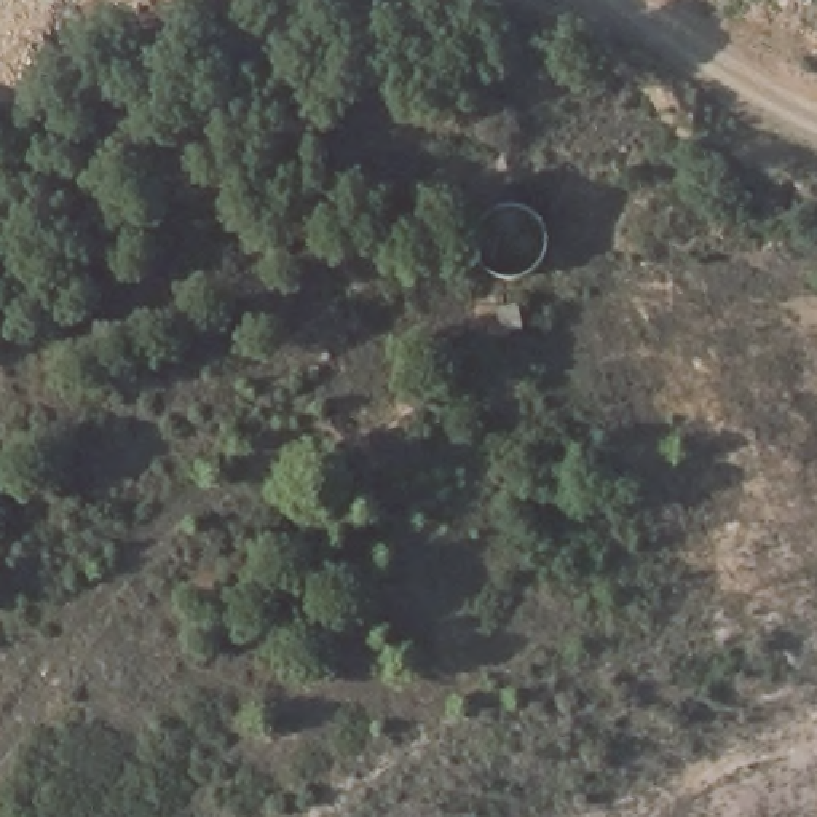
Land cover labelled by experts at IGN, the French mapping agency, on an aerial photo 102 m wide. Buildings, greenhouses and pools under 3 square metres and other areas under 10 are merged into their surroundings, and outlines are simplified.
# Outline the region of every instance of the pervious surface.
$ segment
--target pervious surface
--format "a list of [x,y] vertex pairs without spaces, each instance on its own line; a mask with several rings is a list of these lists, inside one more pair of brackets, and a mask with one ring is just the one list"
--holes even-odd
[[616,51],[616,57],[626,67],[635,67],[651,83],[645,96],[654,102],[661,121],[670,124],[677,137],[693,137],[693,115],[680,112],[670,89],[677,83],[686,83],[689,73],[699,73],[702,80],[715,80],[728,86],[740,102],[747,102],[747,112],[760,115],[763,131],[776,131],[788,140],[817,150],[817,0],[511,0],[514,6],[539,16],[581,16],[587,26],[597,26],[603,32],[603,41]]
[[817,297],[795,297],[791,310],[801,316],[798,332],[811,332],[817,326]]
[[16,80],[22,80],[26,67],[32,64],[32,54],[45,45],[48,32],[54,0],[0,0],[0,83],[13,86]]
[[683,772],[683,785],[689,791],[699,791],[708,782],[750,763],[788,756],[791,766],[807,766],[811,760],[817,760],[817,708],[814,708],[804,718],[795,718],[791,718],[791,747],[728,750],[718,760],[699,760]]

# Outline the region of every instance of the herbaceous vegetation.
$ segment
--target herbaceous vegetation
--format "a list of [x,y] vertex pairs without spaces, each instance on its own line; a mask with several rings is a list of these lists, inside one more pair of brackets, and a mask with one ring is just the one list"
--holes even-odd
[[791,718],[785,715],[776,718],[769,728],[750,724],[747,731],[734,731],[728,750],[791,747]]
[[750,763],[708,782],[699,791],[689,791],[683,785],[683,772],[673,776],[667,785],[638,779],[632,791],[619,795],[606,807],[610,817],[817,817],[817,760],[811,760],[807,766],[791,766],[788,756]]
[[699,73],[689,73],[686,83],[677,83],[670,89],[680,112],[693,115],[693,137],[699,150],[718,153],[724,160],[721,182],[747,204],[750,214],[769,217],[791,207],[798,217],[804,217],[807,207],[817,204],[817,150],[788,140],[776,131],[763,131],[760,115],[747,112],[747,102],[740,102],[728,86],[715,80],[702,80]]
[[817,396],[817,326],[811,332],[798,332],[798,348],[804,354],[801,383],[804,393]]
[[316,804],[319,817],[357,817],[364,791],[373,788],[389,769],[396,769],[396,756],[377,756],[367,776],[354,779],[354,788],[338,788],[335,801]]
[[712,530],[702,543],[680,549],[680,558],[686,565],[718,571],[718,590],[712,594],[712,606],[702,610],[702,616],[715,622],[718,641],[744,648],[750,657],[763,645],[763,638],[769,638],[779,626],[782,632],[801,635],[817,651],[817,463],[804,466],[785,456],[776,444],[756,444],[756,431],[750,424],[724,421],[721,402],[712,393],[718,377],[718,348],[708,348],[696,361],[670,354],[664,389],[654,396],[654,409],[661,418],[667,421],[673,415],[686,415],[705,421],[708,431],[737,434],[747,444],[728,453],[728,463],[744,469],[744,495],[731,523]]
[[105,13],[112,3],[134,10],[150,0],[54,0],[48,32],[61,29],[64,35],[70,35],[73,29],[86,26],[96,13]]
[[785,699],[791,702],[795,718],[804,718],[814,708],[801,686],[782,683],[776,689],[766,689],[756,702]]
[[191,798],[195,817],[239,817],[236,811],[217,804],[214,791],[198,788],[198,795]]
[[747,252],[747,262],[772,278],[782,278],[795,297],[817,297],[817,246],[798,249],[795,243],[766,239],[763,246]]
[[645,191],[635,191],[629,198],[616,217],[613,246],[619,252],[632,252],[641,239],[638,217],[651,201]]

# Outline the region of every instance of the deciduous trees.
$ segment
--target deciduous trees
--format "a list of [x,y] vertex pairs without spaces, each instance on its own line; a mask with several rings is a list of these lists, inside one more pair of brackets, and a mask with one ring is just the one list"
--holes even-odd
[[41,600],[16,597],[10,610],[0,610],[0,651],[10,648],[10,632],[35,638]]
[[160,367],[163,354],[176,351],[176,341],[163,329],[179,313],[185,313],[195,326],[207,319],[204,271],[191,271],[185,281],[172,284],[176,297],[169,303],[156,310],[134,310],[124,319],[99,322],[83,306],[77,262],[89,262],[89,255],[67,230],[64,191],[51,195],[38,188],[45,172],[57,172],[86,188],[99,201],[109,233],[118,239],[109,252],[112,274],[118,281],[137,281],[144,252],[144,204],[134,191],[134,176],[124,166],[137,156],[137,150],[147,140],[156,147],[169,147],[182,160],[191,182],[217,191],[220,223],[239,236],[246,252],[259,255],[255,274],[268,290],[294,294],[297,271],[313,259],[338,265],[348,255],[361,255],[377,265],[377,278],[351,281],[348,294],[383,297],[396,316],[396,326],[386,335],[377,335],[341,354],[332,383],[294,402],[294,409],[313,415],[316,428],[310,437],[281,447],[278,463],[271,466],[271,476],[262,485],[265,491],[255,501],[236,498],[220,514],[179,520],[182,533],[191,533],[198,527],[220,543],[220,558],[214,565],[201,558],[201,571],[191,581],[172,587],[169,613],[179,622],[179,648],[188,661],[217,661],[223,654],[239,657],[255,651],[255,657],[268,661],[274,670],[274,680],[265,693],[265,712],[249,702],[239,705],[239,696],[230,689],[201,686],[198,702],[188,705],[182,715],[163,715],[156,731],[147,731],[140,724],[140,731],[131,734],[112,724],[109,718],[70,718],[64,728],[41,724],[35,728],[32,744],[19,753],[16,769],[0,782],[0,817],[195,817],[191,798],[198,795],[198,788],[214,791],[217,804],[236,811],[239,817],[319,817],[316,804],[335,801],[338,788],[329,785],[332,756],[364,753],[370,721],[364,705],[316,699],[316,693],[335,680],[335,670],[329,664],[335,661],[335,638],[345,626],[345,613],[357,606],[354,574],[335,562],[326,562],[319,571],[297,571],[290,558],[316,527],[326,530],[332,546],[338,546],[341,533],[351,523],[364,523],[367,504],[341,488],[341,469],[326,469],[319,476],[319,463],[329,453],[335,453],[335,447],[348,453],[380,428],[399,428],[409,440],[444,431],[453,444],[466,444],[488,463],[479,504],[466,517],[447,527],[428,520],[424,514],[412,514],[412,527],[421,536],[447,543],[479,539],[488,546],[488,578],[472,600],[460,606],[463,616],[479,619],[482,635],[511,632],[511,619],[523,603],[527,587],[549,584],[555,597],[594,600],[594,578],[610,581],[619,568],[632,565],[629,549],[680,549],[702,543],[712,530],[731,523],[744,495],[744,469],[728,463],[728,453],[747,444],[737,434],[708,431],[705,421],[686,415],[673,415],[667,421],[661,418],[641,421],[632,396],[616,389],[616,373],[606,370],[603,396],[581,396],[571,389],[571,383],[549,386],[546,393],[539,393],[536,383],[520,380],[514,389],[517,428],[507,434],[495,434],[488,424],[479,421],[479,415],[488,405],[469,396],[450,396],[447,383],[453,380],[456,367],[440,351],[431,351],[431,338],[437,332],[463,326],[476,316],[476,300],[491,294],[498,271],[479,262],[482,252],[476,243],[463,243],[456,236],[463,214],[453,191],[418,185],[415,191],[399,179],[373,185],[364,179],[361,169],[345,169],[338,176],[322,163],[316,144],[335,118],[345,115],[345,105],[351,105],[354,99],[373,102],[383,93],[383,102],[396,124],[424,128],[424,150],[434,156],[485,163],[498,172],[504,169],[514,182],[527,179],[533,169],[558,172],[568,163],[587,179],[622,188],[629,198],[635,191],[645,191],[651,201],[638,217],[641,239],[632,252],[632,262],[664,262],[670,271],[693,268],[696,262],[747,262],[747,252],[763,246],[766,239],[795,243],[798,249],[817,246],[817,204],[807,207],[804,217],[798,217],[791,207],[769,217],[750,214],[747,204],[721,182],[724,160],[718,153],[699,150],[693,137],[677,137],[670,124],[661,121],[654,102],[645,96],[651,83],[635,67],[626,67],[616,57],[616,51],[603,41],[603,32],[597,26],[587,26],[581,16],[539,16],[514,6],[511,0],[150,0],[134,10],[112,3],[105,13],[96,13],[86,26],[73,29],[70,35],[64,35],[61,29],[48,32],[45,45],[32,54],[32,64],[26,67],[22,80],[16,80],[13,86],[0,83],[0,367],[19,364],[32,354],[45,354],[48,386],[61,399],[118,393],[124,402],[137,402],[137,389],[124,389],[118,383],[118,370],[134,367],[144,357],[150,367]]
[[377,626],[367,635],[367,645],[380,657],[380,677],[389,689],[405,689],[405,683],[415,673],[409,670],[409,664],[402,664],[402,651],[386,641],[383,626]]
[[48,504],[48,517],[10,546],[6,565],[13,568],[22,555],[41,558],[41,594],[51,606],[80,600],[93,587],[115,584],[128,571],[140,571],[147,546],[144,539],[137,539],[137,527],[153,527],[163,517],[163,501],[150,501],[147,514],[137,517],[137,479],[121,479],[109,488],[96,488],[86,501],[61,498],[70,479],[70,456],[61,447],[51,447],[45,440],[0,444],[0,491],[16,498],[19,504],[29,498],[45,498]]
[[278,338],[271,335],[268,316],[255,313],[243,316],[239,329],[233,332],[233,348],[207,361],[204,370],[211,377],[239,377],[255,393],[271,393],[274,383],[271,377],[262,377],[259,357],[278,351]]
[[163,412],[166,402],[172,402],[176,380],[169,377],[153,380],[144,389],[153,412]]
[[230,421],[220,421],[214,437],[217,450],[227,456],[246,456],[249,440],[236,437],[236,428]]

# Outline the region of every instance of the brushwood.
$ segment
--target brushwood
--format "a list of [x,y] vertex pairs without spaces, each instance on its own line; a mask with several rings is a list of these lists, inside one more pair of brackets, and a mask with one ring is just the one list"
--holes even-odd
[[[10,610],[16,597],[41,600],[35,638],[10,632],[10,648],[0,651],[0,782],[16,769],[19,753],[32,744],[35,728],[41,724],[64,728],[70,718],[109,718],[112,724],[131,734],[140,731],[140,724],[147,731],[156,731],[163,715],[182,715],[188,705],[198,702],[201,686],[230,689],[239,696],[239,705],[249,702],[265,712],[265,693],[274,680],[274,670],[268,661],[255,657],[255,651],[239,657],[223,654],[217,661],[188,661],[179,648],[179,622],[169,613],[172,587],[191,581],[201,571],[201,558],[214,565],[220,558],[220,543],[198,527],[191,533],[182,533],[179,520],[220,514],[236,498],[255,501],[265,491],[262,485],[271,476],[271,466],[278,463],[281,447],[310,437],[316,428],[313,415],[294,409],[294,402],[332,383],[341,354],[377,335],[386,335],[396,326],[396,316],[383,297],[348,294],[351,281],[377,278],[377,265],[361,255],[348,255],[338,265],[313,259],[297,271],[294,294],[268,290],[255,274],[259,255],[246,252],[239,236],[220,223],[217,191],[191,182],[182,160],[169,147],[156,147],[147,140],[137,150],[137,156],[124,166],[134,176],[134,191],[144,204],[144,252],[137,281],[118,281],[112,274],[109,252],[118,239],[109,233],[99,201],[86,188],[57,172],[45,172],[38,188],[51,195],[64,191],[67,230],[89,255],[89,262],[77,262],[83,306],[99,322],[124,319],[134,310],[156,310],[169,303],[176,297],[172,284],[185,281],[191,271],[204,271],[207,319],[195,326],[185,313],[179,313],[163,329],[176,341],[176,351],[163,354],[160,367],[150,367],[144,357],[134,367],[118,370],[118,383],[124,389],[137,389],[137,402],[124,402],[118,393],[61,399],[48,386],[45,354],[32,354],[19,364],[0,367],[0,444],[45,440],[51,447],[61,447],[70,456],[70,479],[61,498],[86,501],[96,488],[109,488],[121,479],[137,479],[137,517],[147,514],[150,501],[163,501],[163,517],[153,527],[137,527],[137,539],[144,539],[147,546],[140,571],[128,571],[115,584],[93,587],[80,600],[51,606],[41,594],[41,558],[22,555],[13,568],[6,565],[10,546],[48,517],[48,504],[45,498],[29,498],[19,504],[16,498],[0,491],[0,610]],[[239,377],[211,377],[204,370],[207,361],[233,348],[233,332],[239,329],[243,316],[255,313],[268,316],[271,335],[278,338],[278,351],[259,357],[262,377],[271,377],[274,383],[271,393],[255,393]],[[153,412],[144,389],[153,380],[169,377],[176,380],[172,402],[166,402],[163,412]],[[236,437],[249,440],[246,456],[227,456],[217,450],[214,437],[220,421],[230,421],[236,428]]]
[[514,389],[520,380],[536,383],[539,393],[546,393],[549,386],[571,383],[571,389],[581,396],[603,396],[606,370],[616,373],[616,389],[632,396],[641,421],[661,418],[654,409],[654,396],[664,389],[670,354],[696,361],[708,348],[718,348],[718,377],[712,393],[721,402],[724,421],[750,424],[756,431],[756,444],[776,444],[785,456],[804,466],[817,463],[817,396],[804,393],[801,383],[804,354],[798,348],[798,332],[801,316],[791,310],[795,297],[782,278],[772,278],[747,262],[696,262],[693,268],[670,271],[664,262],[632,262],[632,252],[619,252],[613,246],[616,217],[629,198],[622,188],[587,179],[568,163],[558,172],[533,169],[527,179],[514,182],[504,169],[498,172],[485,163],[434,156],[424,150],[424,128],[396,124],[383,102],[383,93],[373,102],[354,99],[351,105],[345,105],[345,115],[335,118],[316,144],[322,163],[338,176],[345,169],[361,169],[364,179],[373,185],[399,179],[415,191],[418,185],[453,191],[463,214],[456,236],[463,243],[476,243],[482,252],[479,262],[498,271],[491,294],[501,303],[520,310],[520,326],[504,326],[498,316],[476,316],[463,326],[437,332],[431,338],[431,351],[440,351],[456,367],[453,380],[447,383],[450,396],[469,396],[488,405],[479,415],[479,421],[488,424],[495,434],[507,434],[517,428]]
[[[488,578],[488,546],[479,539],[447,543],[421,536],[412,527],[412,514],[424,514],[428,520],[447,527],[466,517],[479,504],[488,463],[466,444],[453,444],[444,431],[409,440],[399,428],[380,428],[348,453],[335,447],[335,453],[329,453],[319,463],[319,476],[326,469],[341,469],[341,488],[367,504],[364,523],[351,523],[341,533],[338,546],[332,546],[326,530],[316,527],[290,558],[297,571],[319,571],[326,562],[335,562],[354,574],[357,606],[345,613],[345,626],[335,638],[335,661],[329,664],[335,670],[335,680],[316,693],[316,699],[364,705],[370,721],[364,753],[332,756],[329,785],[338,788],[354,788],[354,779],[367,776],[377,756],[396,756],[396,769],[389,769],[373,788],[364,791],[357,817],[610,817],[606,807],[619,795],[632,791],[638,779],[667,785],[673,776],[683,772],[699,760],[718,760],[728,750],[734,731],[747,731],[750,724],[769,728],[776,718],[785,715],[791,718],[795,718],[791,702],[785,699],[756,702],[766,689],[776,689],[782,683],[801,686],[814,708],[817,708],[817,651],[801,635],[782,632],[779,626],[769,638],[763,638],[763,645],[750,657],[744,648],[718,641],[715,622],[702,616],[702,610],[712,606],[712,594],[718,590],[718,571],[686,565],[680,558],[680,549],[629,549],[632,565],[619,568],[610,581],[594,578],[594,600],[555,597],[549,584],[527,587],[523,603],[511,619],[511,632],[482,635],[479,619],[463,616],[460,606],[472,600]],[[380,677],[380,657],[367,645],[367,635],[377,626],[383,626],[386,641],[402,651],[402,664],[409,664],[409,670],[415,673],[405,683],[405,689],[389,689]]]

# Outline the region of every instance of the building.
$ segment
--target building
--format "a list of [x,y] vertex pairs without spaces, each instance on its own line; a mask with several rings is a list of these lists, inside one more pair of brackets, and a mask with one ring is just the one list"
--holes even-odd
[[520,310],[501,303],[491,294],[476,300],[476,316],[498,316],[504,326],[520,326]]

